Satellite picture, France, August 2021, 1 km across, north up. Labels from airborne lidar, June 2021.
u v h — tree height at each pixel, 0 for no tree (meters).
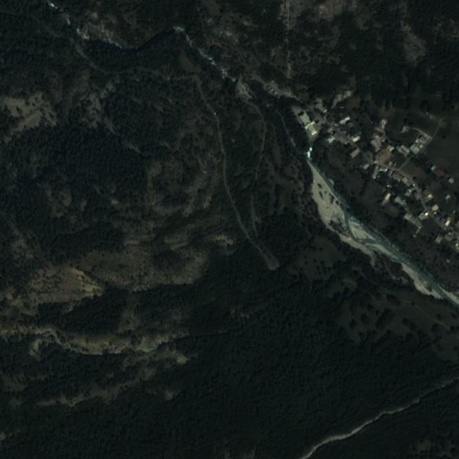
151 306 16
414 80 17
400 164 0
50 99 7
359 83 10
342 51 14
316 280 0
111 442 16
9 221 12
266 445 9
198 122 6
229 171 10
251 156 9
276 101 15
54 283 7
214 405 20
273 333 24
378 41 9
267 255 7
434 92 20
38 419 11
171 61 6
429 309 0
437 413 14
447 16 6
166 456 24
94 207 17
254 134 14
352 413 11
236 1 11
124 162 24
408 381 16
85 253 12
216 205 7
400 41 12
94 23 6
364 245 0
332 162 0
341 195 14
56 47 11
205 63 8
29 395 21
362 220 17
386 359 19
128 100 10
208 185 7
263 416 27
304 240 18
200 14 14
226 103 10
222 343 14
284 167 11
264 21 12
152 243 7
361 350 15
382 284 18
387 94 14
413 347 12
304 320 16
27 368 19
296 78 11
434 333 8
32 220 23
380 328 15
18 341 7
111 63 12
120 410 19
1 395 22
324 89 19
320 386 10
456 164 0
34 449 18
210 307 14
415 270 0
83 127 19
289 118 18
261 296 18
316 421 15
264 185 12
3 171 16
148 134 14
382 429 10
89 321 9
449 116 0
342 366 16
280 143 13
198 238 9
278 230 19
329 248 0
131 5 8
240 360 25
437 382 13
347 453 10
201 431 19
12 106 0
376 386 18
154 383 11
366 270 15
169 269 9
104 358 11
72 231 6
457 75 18
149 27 18
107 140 26
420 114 0
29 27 10
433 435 11
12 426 20
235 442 18
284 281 18
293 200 11
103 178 16
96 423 13
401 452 10
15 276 20
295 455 8
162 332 8
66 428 27
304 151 14
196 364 12
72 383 17
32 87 8
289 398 23
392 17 12
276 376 27
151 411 13
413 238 10
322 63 8
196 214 13
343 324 0
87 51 10
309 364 13
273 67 9
